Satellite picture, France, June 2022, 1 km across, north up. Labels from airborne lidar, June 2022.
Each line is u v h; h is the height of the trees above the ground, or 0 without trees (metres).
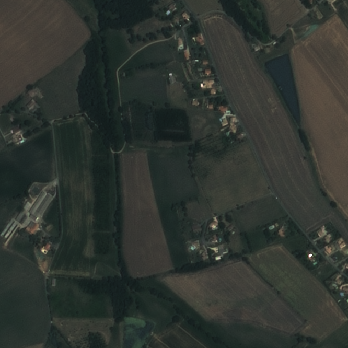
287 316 0
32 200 0
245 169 0
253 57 0
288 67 0
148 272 0
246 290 0
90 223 0
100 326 0
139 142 0
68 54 0
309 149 24
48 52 0
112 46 0
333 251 0
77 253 0
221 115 0
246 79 0
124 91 0
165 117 8
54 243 13
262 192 0
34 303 0
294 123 0
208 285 0
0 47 0
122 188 0
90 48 15
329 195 0
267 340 0
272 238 12
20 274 0
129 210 0
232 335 0
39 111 5
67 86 0
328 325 0
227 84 0
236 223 0
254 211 0
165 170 0
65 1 0
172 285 0
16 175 0
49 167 0
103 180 7
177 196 0
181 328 0
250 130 0
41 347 0
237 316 0
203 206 0
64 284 0
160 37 0
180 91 0
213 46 0
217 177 0
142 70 8
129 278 20
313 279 0
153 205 0
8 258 0
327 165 0
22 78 0
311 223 0
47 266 0
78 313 8
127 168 0
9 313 0
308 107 0
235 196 0
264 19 5
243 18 24
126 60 0
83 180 0
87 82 18
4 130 0
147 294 0
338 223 0
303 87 0
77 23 0
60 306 0
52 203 0
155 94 0
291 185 0
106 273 0
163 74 0
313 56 0
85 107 16
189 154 13
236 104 0
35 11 0
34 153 0
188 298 0
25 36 0
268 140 0
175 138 11
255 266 0
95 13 0
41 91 0
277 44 11
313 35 0
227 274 0
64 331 0
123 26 23
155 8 0
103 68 0
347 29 0
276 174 0
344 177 0
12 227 0
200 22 0
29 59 0
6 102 0
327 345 0
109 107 15
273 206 0
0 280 0
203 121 0
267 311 0
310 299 0
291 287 0
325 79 0
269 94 0
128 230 0
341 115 0
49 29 0
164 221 0
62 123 0
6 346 0
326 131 0
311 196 0
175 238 0
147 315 0
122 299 19
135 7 21
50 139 0
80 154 0
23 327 0
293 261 0
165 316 0
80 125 0
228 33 0
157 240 0
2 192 0
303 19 0
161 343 0
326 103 0
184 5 8
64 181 0
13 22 0
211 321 0
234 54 0
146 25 0
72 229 0
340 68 0
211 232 6
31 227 0
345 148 0
